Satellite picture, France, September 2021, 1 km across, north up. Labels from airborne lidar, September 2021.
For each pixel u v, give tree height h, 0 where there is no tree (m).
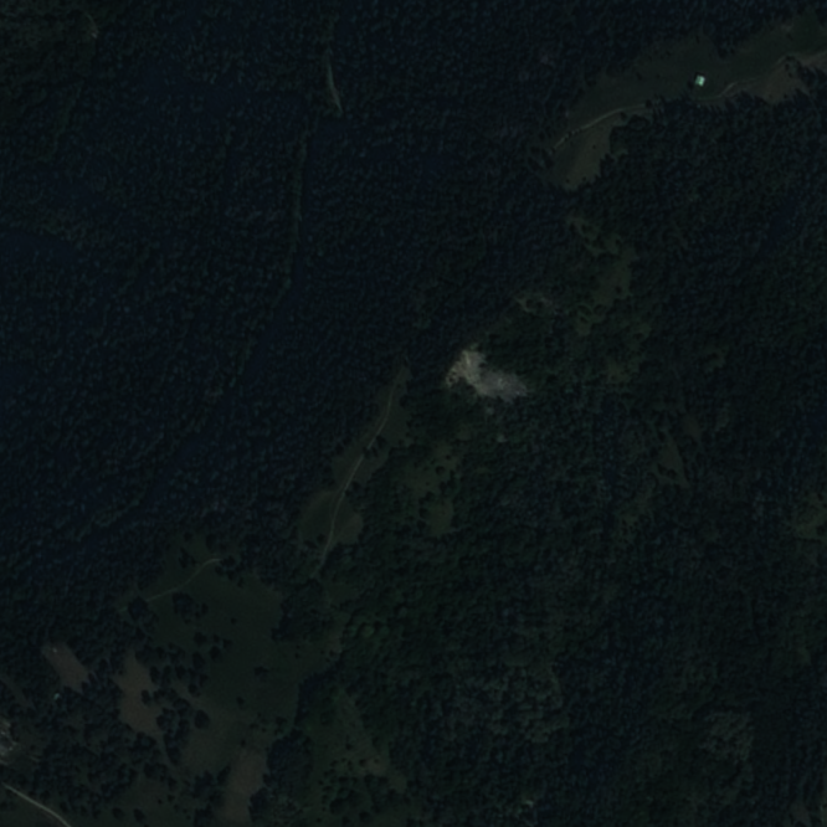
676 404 16
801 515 19
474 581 16
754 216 15
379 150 16
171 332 17
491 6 29
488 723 26
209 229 19
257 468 23
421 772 27
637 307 11
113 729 17
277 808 15
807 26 0
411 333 21
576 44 23
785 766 17
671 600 30
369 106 18
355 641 11
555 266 9
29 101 33
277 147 30
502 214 15
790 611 13
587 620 27
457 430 7
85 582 24
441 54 32
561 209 17
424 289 17
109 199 23
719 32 29
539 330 21
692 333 19
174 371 25
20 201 27
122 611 0
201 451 20
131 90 31
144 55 19
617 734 24
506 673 29
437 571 24
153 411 18
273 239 32
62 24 24
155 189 25
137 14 32
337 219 28
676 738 27
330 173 27
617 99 0
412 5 32
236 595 0
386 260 20
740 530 17
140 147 21
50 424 25
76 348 21
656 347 18
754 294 17
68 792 15
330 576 10
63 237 19
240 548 12
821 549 12
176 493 14
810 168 28
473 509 15
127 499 23
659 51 7
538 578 23
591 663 13
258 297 33
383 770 0
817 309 22
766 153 24
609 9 14
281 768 17
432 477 0
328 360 25
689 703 25
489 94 30
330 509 0
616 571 18
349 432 18
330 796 11
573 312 7
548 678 21
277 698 0
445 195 22
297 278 14
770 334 13
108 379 26
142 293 31
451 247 22
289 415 18
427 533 17
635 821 26
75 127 27
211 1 24
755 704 10
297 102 17
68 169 24
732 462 16
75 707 19
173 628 0
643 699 19
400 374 0
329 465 13
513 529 22
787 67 7
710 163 23
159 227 24
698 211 21
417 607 20
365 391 18
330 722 19
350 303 24
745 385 18
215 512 15
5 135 28
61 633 24
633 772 19
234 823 0
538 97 28
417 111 31
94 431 24
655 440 12
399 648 7
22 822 0
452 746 17
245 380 7
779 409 18
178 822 0
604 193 8
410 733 20
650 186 12
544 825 26
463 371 0
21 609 14
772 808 18
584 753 32
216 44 19
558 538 34
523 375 15
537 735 33
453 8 30
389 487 19
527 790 21
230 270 18
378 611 17
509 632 23
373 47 17
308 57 29
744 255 27
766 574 23
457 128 31
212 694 0
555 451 19
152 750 16
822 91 10
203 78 29
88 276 23
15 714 14
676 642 19
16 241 25
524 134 25
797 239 23
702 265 23
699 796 15
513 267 19
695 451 7
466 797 25
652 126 8
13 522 28
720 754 25
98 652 16
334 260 28
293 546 22
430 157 12
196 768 0
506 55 25
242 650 0
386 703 25
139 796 0
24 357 23
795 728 17
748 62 0
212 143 30
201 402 31
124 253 23
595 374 15
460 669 15
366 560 20
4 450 25
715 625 17
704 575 17
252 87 19
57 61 30
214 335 25
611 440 10
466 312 14
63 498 19
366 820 13
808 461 24
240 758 0
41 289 26
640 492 19
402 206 25
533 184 13
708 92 0
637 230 9
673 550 18
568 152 0
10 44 22
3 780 16
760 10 18
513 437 17
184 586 0
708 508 21
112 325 27
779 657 19
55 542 19
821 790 22
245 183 14
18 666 27
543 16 28
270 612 0
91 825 0
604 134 0
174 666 15
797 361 16
